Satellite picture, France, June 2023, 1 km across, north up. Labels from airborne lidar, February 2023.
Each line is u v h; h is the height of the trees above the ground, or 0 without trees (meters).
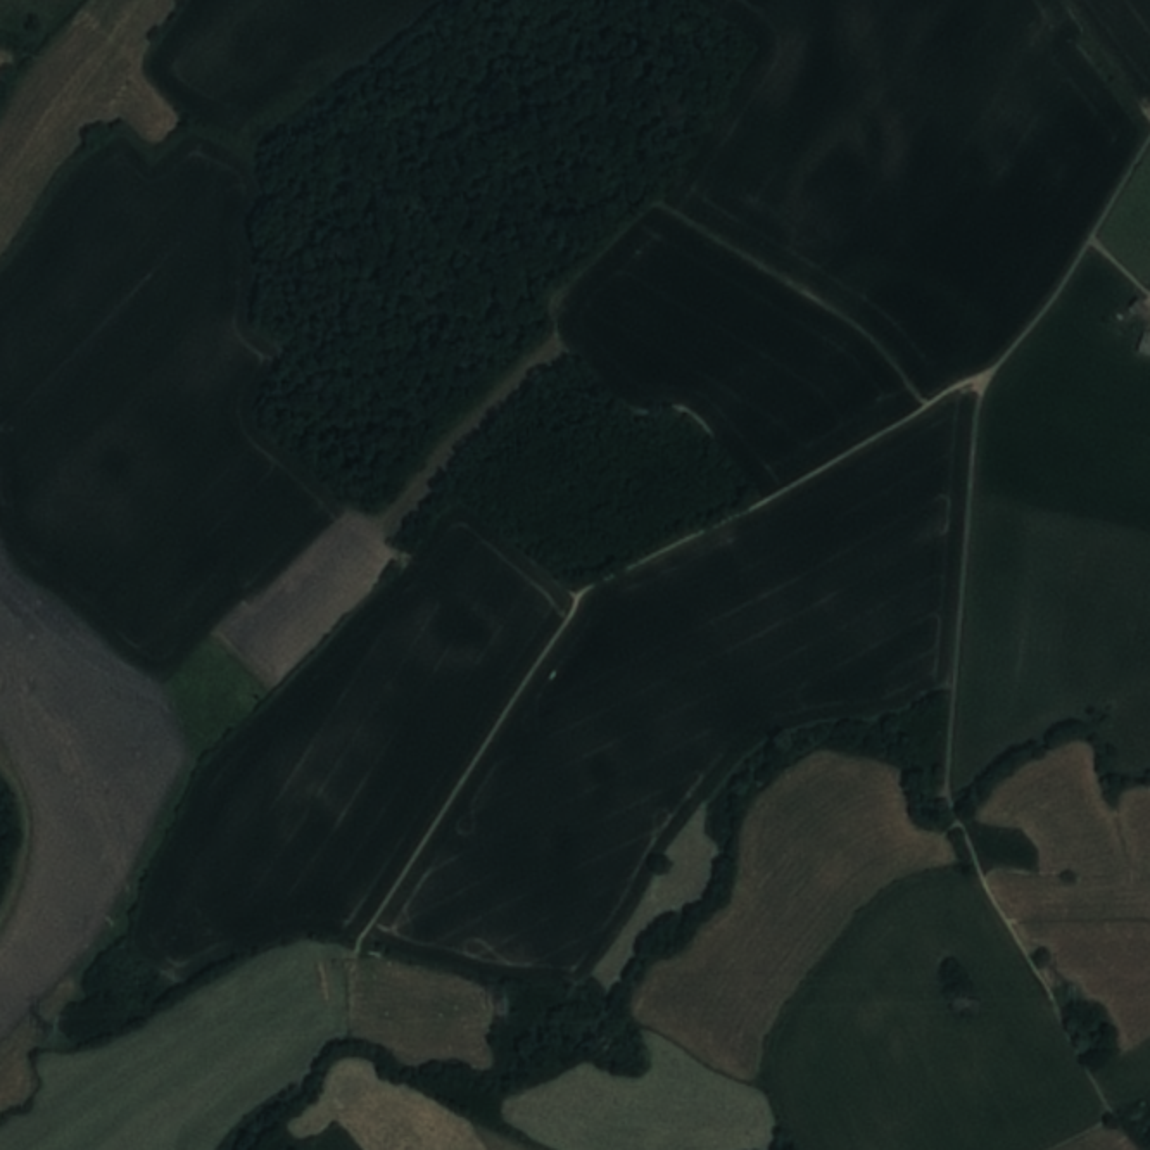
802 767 0
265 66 0
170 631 0
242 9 0
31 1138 0
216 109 0
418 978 0
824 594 0
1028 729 0
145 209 0
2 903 0
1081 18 0
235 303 0
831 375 0
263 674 0
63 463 0
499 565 0
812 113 0
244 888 0
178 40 0
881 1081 0
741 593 0
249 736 0
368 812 0
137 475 0
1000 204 0
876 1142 0
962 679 0
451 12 20
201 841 0
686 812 0
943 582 0
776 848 0
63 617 0
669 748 0
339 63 0
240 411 0
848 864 0
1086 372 0
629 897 0
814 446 0
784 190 0
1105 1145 0
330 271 27
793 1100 0
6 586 0
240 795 0
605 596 0
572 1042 14
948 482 0
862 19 0
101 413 0
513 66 20
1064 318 0
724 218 0
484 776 0
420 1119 0
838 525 0
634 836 0
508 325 26
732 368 0
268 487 0
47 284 0
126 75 0
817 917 0
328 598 0
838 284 0
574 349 0
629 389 0
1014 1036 0
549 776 0
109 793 0
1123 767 0
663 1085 0
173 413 0
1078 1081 0
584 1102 0
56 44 0
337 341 25
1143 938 0
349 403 30
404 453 23
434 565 0
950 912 0
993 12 0
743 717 0
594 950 0
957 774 0
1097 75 0
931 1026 0
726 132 0
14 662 0
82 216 0
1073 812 0
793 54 0
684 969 0
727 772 0
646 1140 0
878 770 0
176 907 0
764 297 0
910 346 0
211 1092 0
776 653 0
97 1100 0
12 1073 0
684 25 22
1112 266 0
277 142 17
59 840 0
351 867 0
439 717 0
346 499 14
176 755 0
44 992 0
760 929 0
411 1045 0
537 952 0
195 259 0
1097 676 0
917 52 0
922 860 0
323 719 0
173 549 0
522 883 0
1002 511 0
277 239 27
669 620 0
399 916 0
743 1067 0
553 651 0
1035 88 0
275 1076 0
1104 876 0
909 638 0
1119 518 0
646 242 0
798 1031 0
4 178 0
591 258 19
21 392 0
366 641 0
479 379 26
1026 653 0
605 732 0
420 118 26
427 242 31
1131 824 0
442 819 0
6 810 21
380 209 28
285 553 0
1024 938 0
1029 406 0
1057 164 0
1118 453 0
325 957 0
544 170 31
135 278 0
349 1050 12
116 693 0
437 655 0
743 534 0
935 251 0
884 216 0
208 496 0
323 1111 0
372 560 0
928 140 0
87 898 0
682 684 0
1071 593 0
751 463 0
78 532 0
